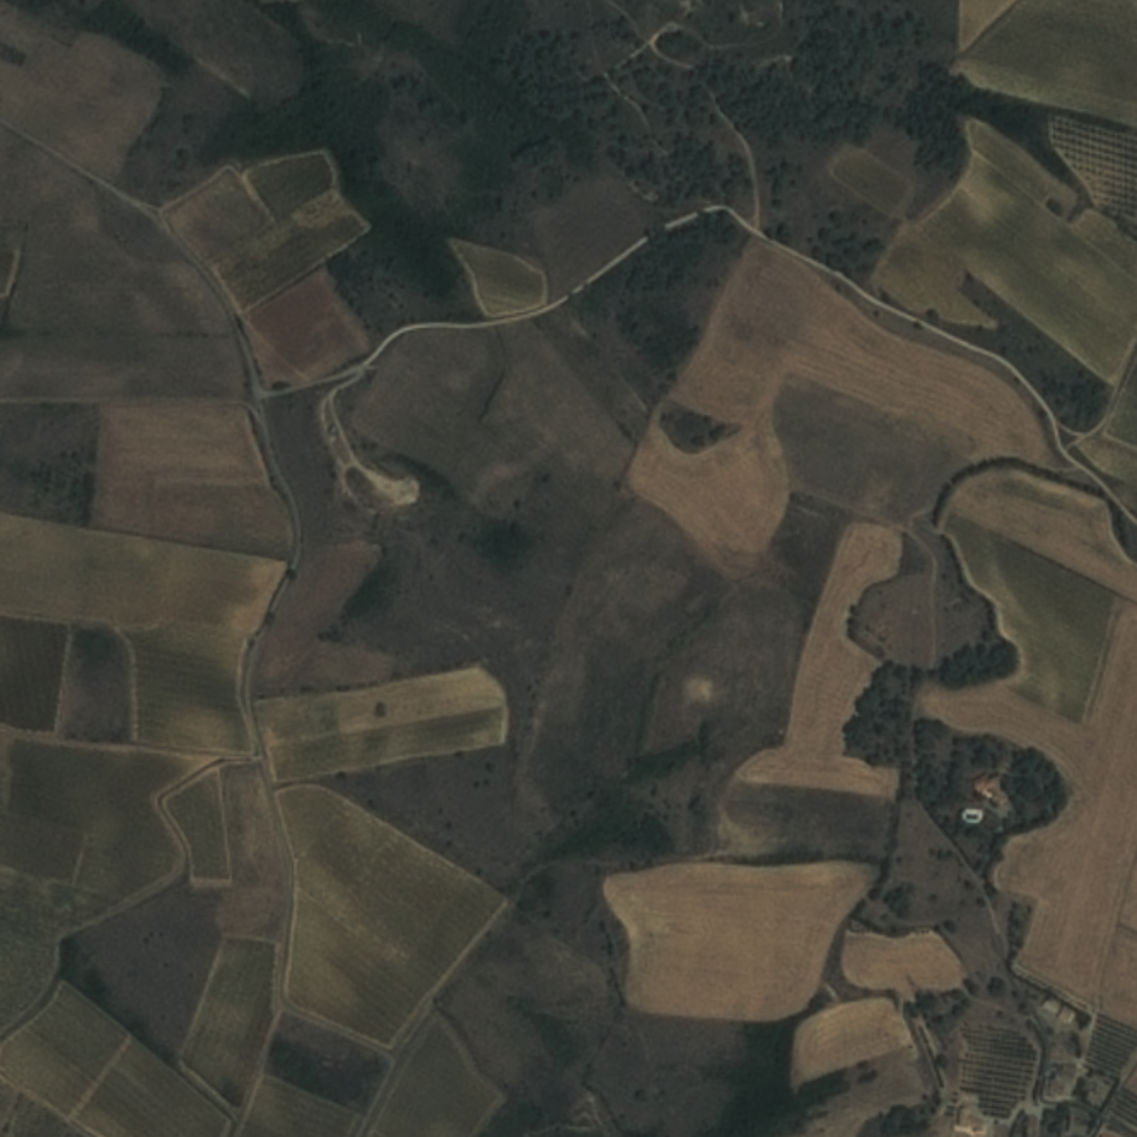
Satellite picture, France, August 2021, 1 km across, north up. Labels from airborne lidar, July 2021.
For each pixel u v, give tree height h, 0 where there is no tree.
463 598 0
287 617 0
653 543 0
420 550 0
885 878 6
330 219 0
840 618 0
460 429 0
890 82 9
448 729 0
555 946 0
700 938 0
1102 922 0
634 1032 0
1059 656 0
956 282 0
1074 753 0
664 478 0
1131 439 0
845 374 0
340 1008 0
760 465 0
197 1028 0
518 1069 0
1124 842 0
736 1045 0
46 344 0
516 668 0
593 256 0
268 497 0
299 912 0
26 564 0
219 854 0
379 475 0
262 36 0
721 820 0
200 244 0
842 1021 0
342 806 0
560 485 0
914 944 0
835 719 0
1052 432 0
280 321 0
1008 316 0
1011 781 12
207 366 0
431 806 0
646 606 0
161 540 0
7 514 0
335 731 0
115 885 0
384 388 0
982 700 0
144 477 0
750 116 7
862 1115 0
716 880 0
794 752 0
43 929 0
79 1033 0
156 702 0
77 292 0
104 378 0
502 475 0
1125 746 0
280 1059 0
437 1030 0
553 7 0
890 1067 0
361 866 0
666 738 0
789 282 0
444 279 5
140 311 0
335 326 0
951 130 7
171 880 0
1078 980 0
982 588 0
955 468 0
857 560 0
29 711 0
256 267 0
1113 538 0
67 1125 0
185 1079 0
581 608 0
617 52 0
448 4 0
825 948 0
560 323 0
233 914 0
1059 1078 0
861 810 0
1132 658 0
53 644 0
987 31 0
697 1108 0
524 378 0
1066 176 9
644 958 0
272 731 0
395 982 0
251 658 0
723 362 0
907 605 0
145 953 0
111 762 0
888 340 0
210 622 0
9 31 0
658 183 11
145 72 0
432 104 10
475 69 7
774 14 0
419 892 0
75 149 0
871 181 0
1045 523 0
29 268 0
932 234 0
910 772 5
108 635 0
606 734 0
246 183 0
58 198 0
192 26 0
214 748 0
